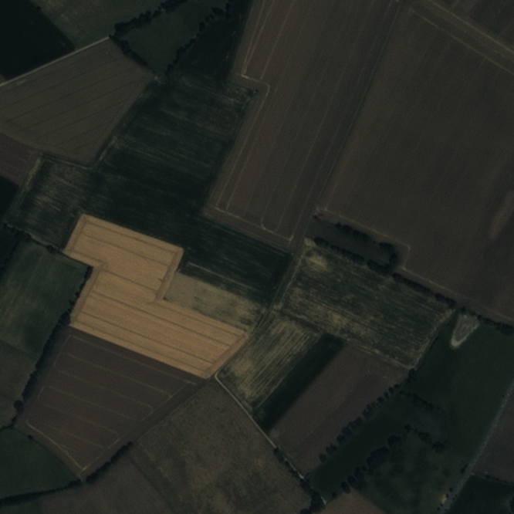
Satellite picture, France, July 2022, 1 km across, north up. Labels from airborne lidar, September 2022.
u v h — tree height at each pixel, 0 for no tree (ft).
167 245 0
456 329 0
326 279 0
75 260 0
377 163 0
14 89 0
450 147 0
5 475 0
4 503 44
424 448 0
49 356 52
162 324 0
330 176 0
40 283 0
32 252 0
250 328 0
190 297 0
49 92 0
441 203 0
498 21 0
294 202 0
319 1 0
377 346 0
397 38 0
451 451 0
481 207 0
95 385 0
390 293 0
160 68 0
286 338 0
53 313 0
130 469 0
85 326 0
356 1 0
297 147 0
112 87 0
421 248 0
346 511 0
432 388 0
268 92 0
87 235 0
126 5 0
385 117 0
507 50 0
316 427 0
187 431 0
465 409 0
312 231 0
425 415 0
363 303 0
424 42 0
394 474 0
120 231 0
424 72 0
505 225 0
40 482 0
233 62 0
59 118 0
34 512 0
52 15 0
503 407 0
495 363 0
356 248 0
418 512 0
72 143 0
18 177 0
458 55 0
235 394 0
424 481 0
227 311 0
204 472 0
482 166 0
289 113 0
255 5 0
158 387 0
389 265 27
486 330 0
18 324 0
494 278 0
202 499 0
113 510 0
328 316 0
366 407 0
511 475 0
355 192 0
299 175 0
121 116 0
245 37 0
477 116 0
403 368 0
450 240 0
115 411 0
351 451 0
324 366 0
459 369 0
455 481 0
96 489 0
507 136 0
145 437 0
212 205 0
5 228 46
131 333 0
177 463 0
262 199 0
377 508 0
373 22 0
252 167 0
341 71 0
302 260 0
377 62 0
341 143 0
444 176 0
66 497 0
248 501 0
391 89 0
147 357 0
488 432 0
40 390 0
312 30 0
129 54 66
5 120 0
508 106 0
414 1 0
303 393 0
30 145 0
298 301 0
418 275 0
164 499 0
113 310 0
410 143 0
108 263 0
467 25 0
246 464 0
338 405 0
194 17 0
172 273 0
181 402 0
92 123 0
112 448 0
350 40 0
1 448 0
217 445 0
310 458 0
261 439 0
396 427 0
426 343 0
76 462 0
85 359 0
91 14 0
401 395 28
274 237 0
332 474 0
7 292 0
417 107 0
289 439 0
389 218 0
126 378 0
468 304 0
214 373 0
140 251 0
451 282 0
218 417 0
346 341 0
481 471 0
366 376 0
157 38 0
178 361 0
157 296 0
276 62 0
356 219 0
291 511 0
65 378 0
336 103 0
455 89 0
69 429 0
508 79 0
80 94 0
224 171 0
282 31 0
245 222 0
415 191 0
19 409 62
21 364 0
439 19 0
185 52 51
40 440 0
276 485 0
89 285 0
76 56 0
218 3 0
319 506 82
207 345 0
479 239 0
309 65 0
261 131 0
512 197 0
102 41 0
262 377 0
